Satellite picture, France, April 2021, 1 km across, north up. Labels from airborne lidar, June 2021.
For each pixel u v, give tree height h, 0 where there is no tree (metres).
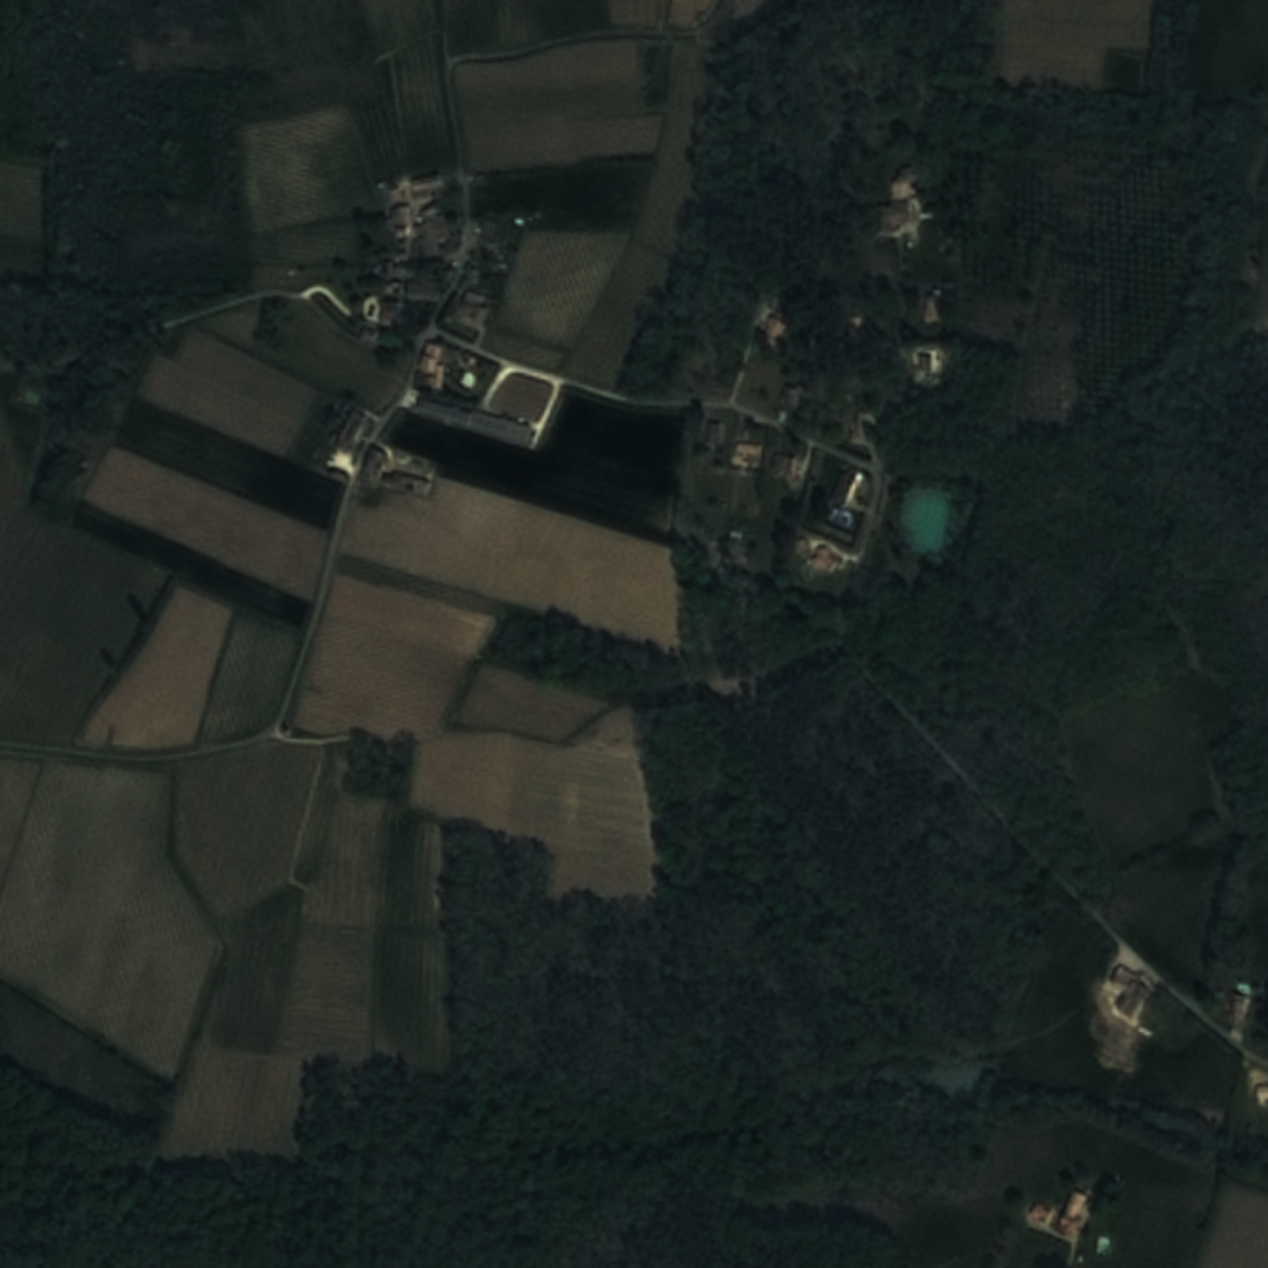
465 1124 30
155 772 0
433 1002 0
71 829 0
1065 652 23
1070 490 22
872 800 18
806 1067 19
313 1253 24
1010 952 22
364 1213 20
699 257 16
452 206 10
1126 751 0
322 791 0
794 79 19
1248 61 0
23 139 19
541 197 0
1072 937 0
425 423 0
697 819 18
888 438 21
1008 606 21
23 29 21
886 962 23
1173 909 0
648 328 18
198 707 0
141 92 10
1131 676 21
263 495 0
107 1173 23
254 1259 25
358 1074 17
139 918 0
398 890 0
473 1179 26
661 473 0
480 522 0
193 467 0
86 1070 0
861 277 0
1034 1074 0
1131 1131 21
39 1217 27
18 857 0
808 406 11
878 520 0
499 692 0
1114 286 14
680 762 22
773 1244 23
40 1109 26
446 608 0
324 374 0
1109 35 0
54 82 20
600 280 0
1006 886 23
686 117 0
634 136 0
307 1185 23
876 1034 26
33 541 0
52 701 0
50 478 17
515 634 10
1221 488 19
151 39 0
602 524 0
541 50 0
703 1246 24
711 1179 23
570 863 0
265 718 0
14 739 0
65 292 19
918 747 17
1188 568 22
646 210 0
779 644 21
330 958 0
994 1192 0
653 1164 26
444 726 0
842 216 21
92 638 0
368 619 0
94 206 15
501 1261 24
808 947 25
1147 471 29
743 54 8
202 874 0
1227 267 10
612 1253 18
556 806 0
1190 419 21
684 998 31
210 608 0
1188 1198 0
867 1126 24
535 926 19
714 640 18
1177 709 0
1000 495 19
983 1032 20
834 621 22
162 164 8
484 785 0
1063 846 19
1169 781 0
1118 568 20
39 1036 0
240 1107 0
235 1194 23
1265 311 0
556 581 0
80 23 14
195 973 0
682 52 0
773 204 25
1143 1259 0
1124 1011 0
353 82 0
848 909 22
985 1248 0
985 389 20
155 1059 0
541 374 0
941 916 23
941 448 24
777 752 21
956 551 11
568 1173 25
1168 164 17
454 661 0
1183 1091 0
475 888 17
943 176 18
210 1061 0
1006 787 17
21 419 0
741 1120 20
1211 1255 0
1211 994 16
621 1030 19
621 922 20
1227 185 6
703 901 23
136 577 0
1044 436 25
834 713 16
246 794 0
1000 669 20
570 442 0
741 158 23
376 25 0
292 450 0
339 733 0
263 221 0
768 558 0
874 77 18
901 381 19
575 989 22
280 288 0
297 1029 0
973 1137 19
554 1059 20
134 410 0
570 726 0
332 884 0
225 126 7
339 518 0
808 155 20
